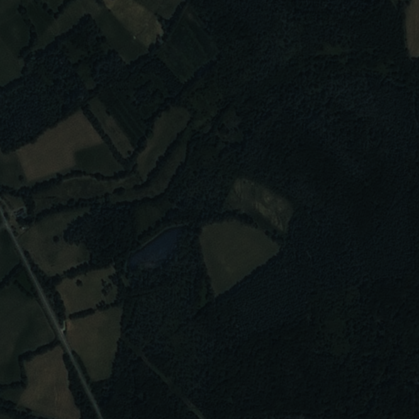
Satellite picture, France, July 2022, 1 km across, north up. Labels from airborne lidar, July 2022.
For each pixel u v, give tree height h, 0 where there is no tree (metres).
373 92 22
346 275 21
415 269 21
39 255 0
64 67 27
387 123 15
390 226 20
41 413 0
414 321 22
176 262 16
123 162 17
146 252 0
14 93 26
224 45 23
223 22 24
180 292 9
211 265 0
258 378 17
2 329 0
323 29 5
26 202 17
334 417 16
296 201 13
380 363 29
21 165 0
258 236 0
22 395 0
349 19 7
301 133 17
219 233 0
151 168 0
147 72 14
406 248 19
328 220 23
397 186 15
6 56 0
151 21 0
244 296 23
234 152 12
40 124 27
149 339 8
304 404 23
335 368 17
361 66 12
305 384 24
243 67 7
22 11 21
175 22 19
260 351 25
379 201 14
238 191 0
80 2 0
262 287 22
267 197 0
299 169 20
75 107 20
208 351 17
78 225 16
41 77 26
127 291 14
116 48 0
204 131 0
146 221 0
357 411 12
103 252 24
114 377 18
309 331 22
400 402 23
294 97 28
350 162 27
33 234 0
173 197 6
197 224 16
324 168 24
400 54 8
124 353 14
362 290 24
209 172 11
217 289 0
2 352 0
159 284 17
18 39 0
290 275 20
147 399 20
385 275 22
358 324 14
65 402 0
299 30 8
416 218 24
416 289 17
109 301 0
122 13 0
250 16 22
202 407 22
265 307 22
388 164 18
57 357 0
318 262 23
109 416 22
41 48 0
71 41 7
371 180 17
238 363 24
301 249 22
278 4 20
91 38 21
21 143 16
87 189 0
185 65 0
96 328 0
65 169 0
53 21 0
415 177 19
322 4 22
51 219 0
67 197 0
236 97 11
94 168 0
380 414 23
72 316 14
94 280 0
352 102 21
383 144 15
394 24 12
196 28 0
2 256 0
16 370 0
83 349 0
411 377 19
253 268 0
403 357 21
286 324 26
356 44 10
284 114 21
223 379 18
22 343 0
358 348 16
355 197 16
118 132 0
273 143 21
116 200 0
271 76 17
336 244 24
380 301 25
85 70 0
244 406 20
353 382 14
